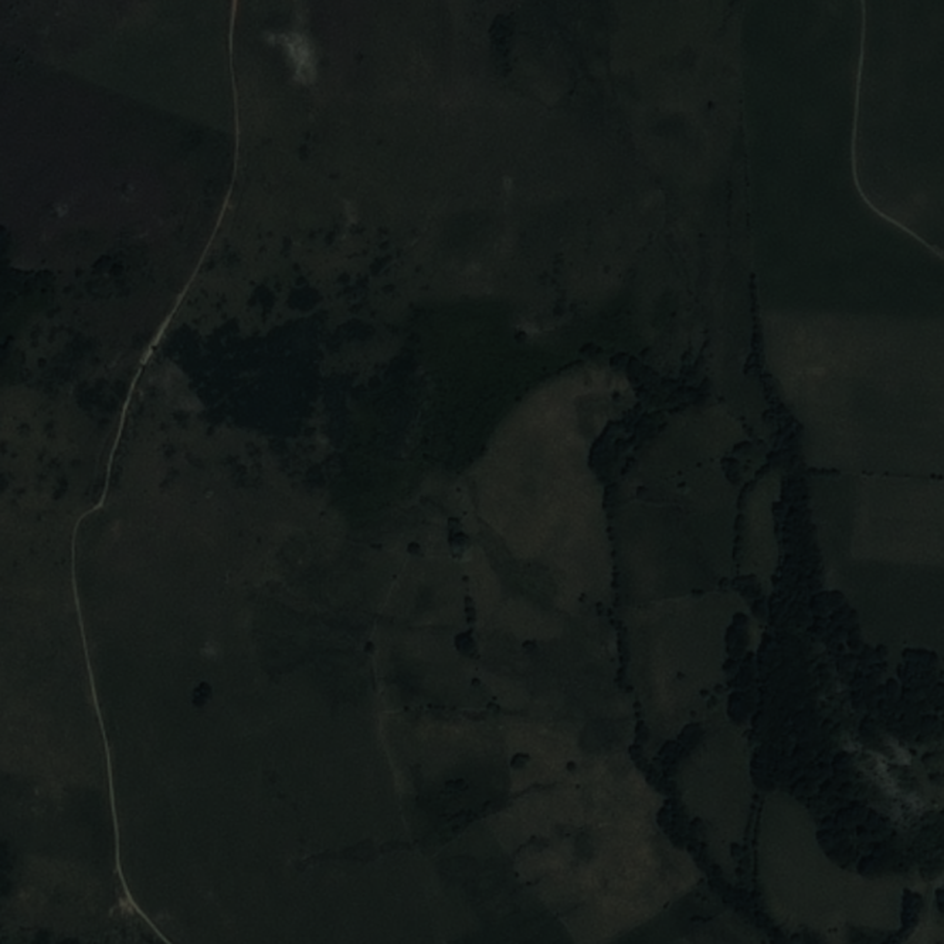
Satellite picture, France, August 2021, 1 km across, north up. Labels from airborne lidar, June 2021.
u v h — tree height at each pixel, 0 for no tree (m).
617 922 0
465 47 0
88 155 0
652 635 0
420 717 0
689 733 6
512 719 0
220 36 0
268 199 0
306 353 0
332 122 0
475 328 0
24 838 0
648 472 0
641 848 0
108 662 0
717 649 0
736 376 0
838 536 0
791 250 0
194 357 0
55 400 0
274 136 0
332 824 0
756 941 0
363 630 0
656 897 0
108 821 0
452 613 0
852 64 0
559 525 0
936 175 0
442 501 0
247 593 0
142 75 0
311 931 0
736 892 10
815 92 0
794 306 0
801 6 0
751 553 0
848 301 0
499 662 0
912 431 0
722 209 0
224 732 0
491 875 0
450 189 0
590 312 0
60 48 0
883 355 0
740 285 0
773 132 0
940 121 0
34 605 0
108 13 0
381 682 0
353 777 0
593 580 0
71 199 0
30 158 0
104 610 0
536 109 0
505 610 0
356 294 0
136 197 0
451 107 0
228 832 0
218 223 0
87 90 0
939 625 0
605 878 0
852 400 0
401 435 0
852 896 0
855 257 0
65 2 0
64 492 0
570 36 0
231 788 0
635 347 0
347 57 0
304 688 0
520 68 0
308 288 0
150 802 0
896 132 0
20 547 0
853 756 8
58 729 0
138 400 0
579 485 0
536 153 0
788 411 10
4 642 0
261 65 0
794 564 13
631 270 0
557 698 0
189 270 0
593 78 0
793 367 0
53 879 0
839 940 0
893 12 0
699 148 0
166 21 0
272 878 0
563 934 0
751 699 17
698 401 12
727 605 0
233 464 0
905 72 0
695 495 0
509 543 0
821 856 0
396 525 0
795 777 16
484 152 0
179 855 0
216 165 0
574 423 0
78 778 0
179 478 0
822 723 16
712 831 0
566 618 0
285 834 0
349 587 0
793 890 0
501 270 0
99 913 0
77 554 0
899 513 0
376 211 0
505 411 0
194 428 0
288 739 0
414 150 0
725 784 0
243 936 0
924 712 12
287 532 0
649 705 0
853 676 12
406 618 0
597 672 0
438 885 0
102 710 0
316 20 0
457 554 9
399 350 0
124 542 0
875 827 15
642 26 0
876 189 0
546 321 0
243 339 0
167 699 0
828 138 0
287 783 0
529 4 0
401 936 0
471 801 0
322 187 0
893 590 0
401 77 0
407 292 0
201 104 0
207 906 0
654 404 17
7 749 0
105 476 0
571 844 0
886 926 0
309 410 0
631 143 0
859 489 0
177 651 0
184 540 0
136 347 0
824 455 0
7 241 11
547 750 0
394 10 0
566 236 0
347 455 0
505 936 0
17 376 0
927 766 14
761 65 0
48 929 0
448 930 0
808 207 0
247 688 0
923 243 0
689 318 0
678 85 0
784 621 14
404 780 0
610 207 0
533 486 0
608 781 0
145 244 0
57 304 0
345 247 0
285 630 0
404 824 0
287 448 0
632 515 0
